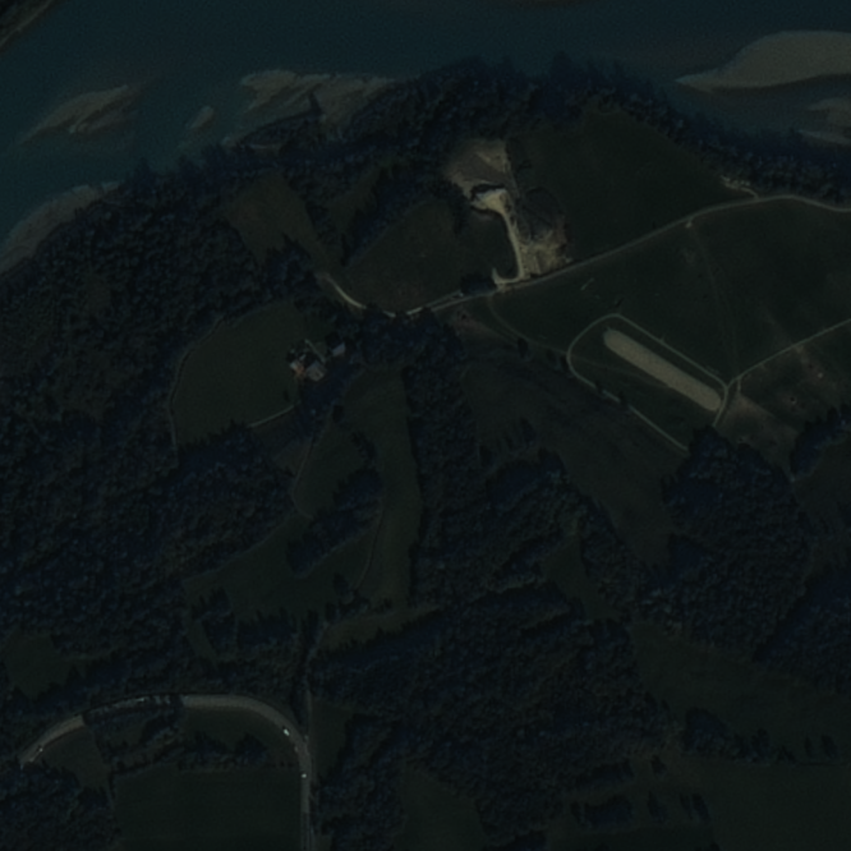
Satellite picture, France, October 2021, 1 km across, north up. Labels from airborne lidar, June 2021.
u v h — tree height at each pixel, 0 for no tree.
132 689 7
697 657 0
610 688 17
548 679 11
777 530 25
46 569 8
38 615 11
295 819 0
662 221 0
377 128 6
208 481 21
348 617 14
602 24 0
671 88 0
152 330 15
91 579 13
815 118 0
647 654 0
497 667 23
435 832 0
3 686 22
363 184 11
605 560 17
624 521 0
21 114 0
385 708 17
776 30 0
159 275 20
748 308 0
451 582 21
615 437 0
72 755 0
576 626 20
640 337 0
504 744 16
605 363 0
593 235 0
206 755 16
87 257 13
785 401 0
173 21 0
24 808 21
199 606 0
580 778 16
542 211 0
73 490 17
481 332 0
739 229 0
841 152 0
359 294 0
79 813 11
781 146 0
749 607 19
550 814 17
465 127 20
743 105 0
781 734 0
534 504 16
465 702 20
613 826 15
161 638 14
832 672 22
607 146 0
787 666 21
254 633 0
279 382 0
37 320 11
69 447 27
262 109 0
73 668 0
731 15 0
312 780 0
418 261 0
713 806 0
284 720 0
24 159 0
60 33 0
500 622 23
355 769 17
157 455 20
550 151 0
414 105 7
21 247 0
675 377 0
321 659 0
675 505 11
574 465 0
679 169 0
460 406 19
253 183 7
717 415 0
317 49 0
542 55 0
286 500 13
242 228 0
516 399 0
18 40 0
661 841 0
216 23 0
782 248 0
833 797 0
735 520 24
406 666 23
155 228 24
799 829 0
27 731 18
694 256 0
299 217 0
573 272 0
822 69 0
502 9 0
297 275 20
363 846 24
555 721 6
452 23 0
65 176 0
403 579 0
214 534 13
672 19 0
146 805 0
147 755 0
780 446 0
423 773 10
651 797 0
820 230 0
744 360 0
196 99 0
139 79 0
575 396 0
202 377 0
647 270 0
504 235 0
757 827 0
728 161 14
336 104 0
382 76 0
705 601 17
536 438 14
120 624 20
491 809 24
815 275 0
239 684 13
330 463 0
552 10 0
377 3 0
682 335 0
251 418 0
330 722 0
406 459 0
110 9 0
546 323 0
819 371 0
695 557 6
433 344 19
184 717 15
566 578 0
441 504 19
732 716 0
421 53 0
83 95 0
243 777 0
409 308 0
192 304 25
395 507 0
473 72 9
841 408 0
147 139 0
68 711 14
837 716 0
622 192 0
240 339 0
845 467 0
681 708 0
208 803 0
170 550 20
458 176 0
